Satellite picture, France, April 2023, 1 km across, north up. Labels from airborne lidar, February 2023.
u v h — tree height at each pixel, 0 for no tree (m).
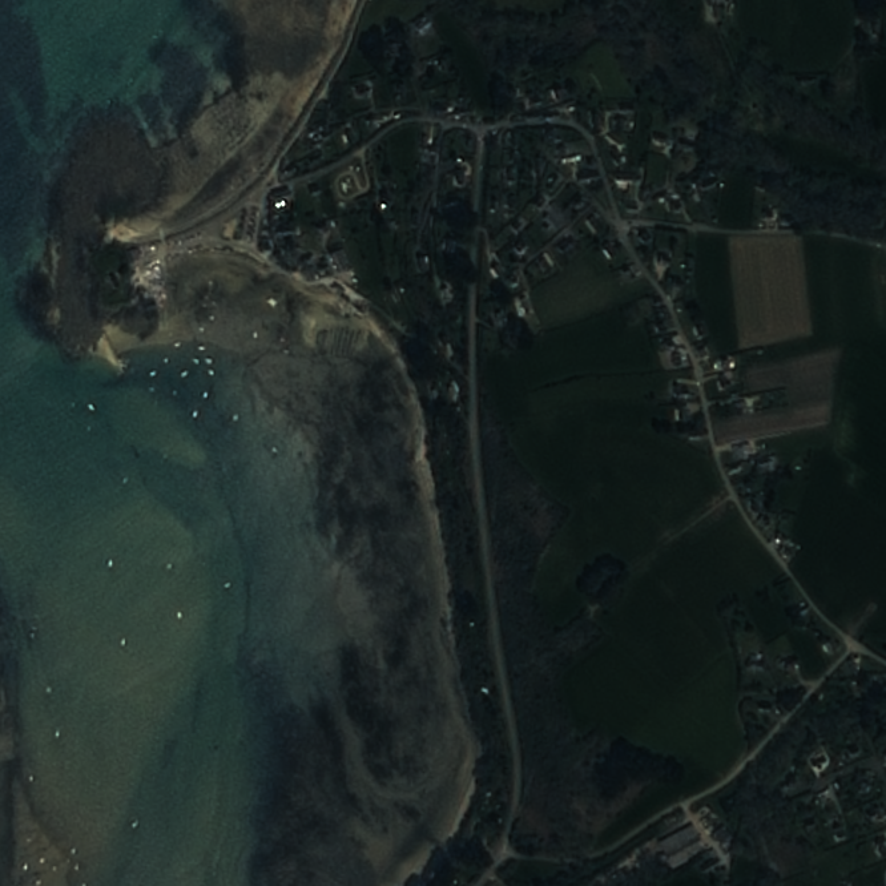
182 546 0
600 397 0
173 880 0
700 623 0
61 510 0
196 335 0
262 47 0
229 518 0
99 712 0
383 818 0
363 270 0
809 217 15
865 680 17
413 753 0
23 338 0
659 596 0
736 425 0
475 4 16
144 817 0
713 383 0
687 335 0
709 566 0
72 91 0
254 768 0
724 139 25
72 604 0
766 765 15
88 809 0
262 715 0
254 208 0
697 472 0
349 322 0
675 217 0
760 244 0
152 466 0
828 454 0
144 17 0
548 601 0
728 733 0
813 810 6
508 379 0
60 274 0
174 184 0
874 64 0
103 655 0
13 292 0
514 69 17
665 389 0
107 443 0
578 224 0
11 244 0
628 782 6
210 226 0
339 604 0
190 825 0
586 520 0
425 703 0
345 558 0
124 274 9
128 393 0
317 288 0
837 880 0
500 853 0
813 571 0
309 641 0
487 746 9
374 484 0
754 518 0
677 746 0
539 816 0
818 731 15
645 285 0
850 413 0
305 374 0
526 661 7
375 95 0
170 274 0
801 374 0
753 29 0
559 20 10
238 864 0
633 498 0
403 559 0
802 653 0
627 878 14
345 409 0
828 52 0
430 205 0
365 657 0
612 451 0
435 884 18
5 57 0
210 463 0
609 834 0
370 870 0
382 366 0
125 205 0
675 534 0
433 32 0
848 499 0
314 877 0
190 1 0
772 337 0
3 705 0
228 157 0
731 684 0
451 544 7
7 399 0
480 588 0
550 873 0
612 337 0
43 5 0
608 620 0
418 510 0
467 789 0
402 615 0
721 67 0
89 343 0
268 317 0
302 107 0
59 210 0
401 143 0
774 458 0
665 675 0
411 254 0
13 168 0
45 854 0
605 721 0
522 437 0
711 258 0
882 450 0
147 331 0
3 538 0
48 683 0
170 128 0
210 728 0
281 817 0
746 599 0
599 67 0
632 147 0
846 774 0
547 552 0
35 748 0
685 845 0
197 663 0
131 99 0
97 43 0
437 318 12
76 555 0
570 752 6
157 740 0
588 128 5
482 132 0
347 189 0
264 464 0
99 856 0
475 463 0
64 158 0
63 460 0
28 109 0
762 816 14
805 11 0
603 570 12
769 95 17
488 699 7
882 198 9
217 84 0
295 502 0
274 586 0
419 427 0
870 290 0
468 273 22
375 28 0
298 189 0
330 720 0
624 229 0
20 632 0
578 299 0
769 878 15
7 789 0
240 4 0
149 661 0
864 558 0
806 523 0
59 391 0
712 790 0
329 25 0
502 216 0
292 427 0
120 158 0
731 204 0
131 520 0
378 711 0
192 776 0
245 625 0
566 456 0
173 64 0
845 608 0
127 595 0
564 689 0
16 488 0
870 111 0
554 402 0
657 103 11
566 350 0
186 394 0
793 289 0
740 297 0
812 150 0
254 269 0
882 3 15
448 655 0
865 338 0
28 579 0
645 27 13
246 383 0
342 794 0
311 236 0
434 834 0
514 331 16
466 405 7
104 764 0
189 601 0
